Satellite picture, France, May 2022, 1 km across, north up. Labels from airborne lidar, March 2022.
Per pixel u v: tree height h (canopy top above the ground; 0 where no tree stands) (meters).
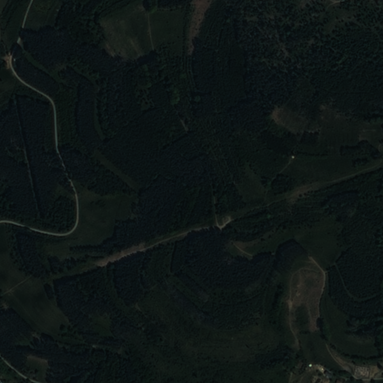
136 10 0
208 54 13
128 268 18
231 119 12
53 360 31
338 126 0
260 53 27
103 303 26
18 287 0
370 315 6
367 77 13
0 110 6
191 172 26
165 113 10
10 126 27
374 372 0
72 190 24
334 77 15
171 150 23
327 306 0
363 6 10
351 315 9
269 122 27
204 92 19
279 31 28
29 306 0
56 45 25
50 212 7
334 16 0
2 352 27
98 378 15
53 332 0
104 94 18
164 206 22
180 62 10
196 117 23
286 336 0
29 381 11
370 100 20
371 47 9
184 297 27
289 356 25
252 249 0
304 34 7
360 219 6
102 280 13
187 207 19
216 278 25
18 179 27
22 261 6
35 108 26
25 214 21
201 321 25
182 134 8
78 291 22
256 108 26
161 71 25
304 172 0
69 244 0
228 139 8
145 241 17
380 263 7
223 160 7
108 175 13
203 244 30
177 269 14
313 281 0
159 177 21
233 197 16
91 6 25
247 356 0
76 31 7
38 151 28
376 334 24
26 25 0
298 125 0
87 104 20
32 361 0
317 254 0
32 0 0
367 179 9
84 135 20
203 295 26
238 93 11
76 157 31
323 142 0
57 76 0
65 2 10
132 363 10
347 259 13
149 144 18
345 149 14
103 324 0
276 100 29
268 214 19
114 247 13
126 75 15
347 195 22
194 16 0
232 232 13
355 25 14
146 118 17
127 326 24
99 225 0
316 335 0
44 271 24
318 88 19
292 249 30
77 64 26
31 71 30
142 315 6
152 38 0
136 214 19
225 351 0
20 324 30
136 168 17
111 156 16
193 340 0
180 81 8
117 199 0
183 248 11
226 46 8
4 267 0
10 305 0
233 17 23
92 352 9
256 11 15
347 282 10
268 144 12
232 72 15
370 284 10
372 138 0
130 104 14
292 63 31
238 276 27
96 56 29
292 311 0
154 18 0
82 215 0
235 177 10
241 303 7
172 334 0
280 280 0
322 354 0
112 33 0
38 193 27
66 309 26
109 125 21
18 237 22
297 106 12
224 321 6
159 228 22
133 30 0
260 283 29
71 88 27
